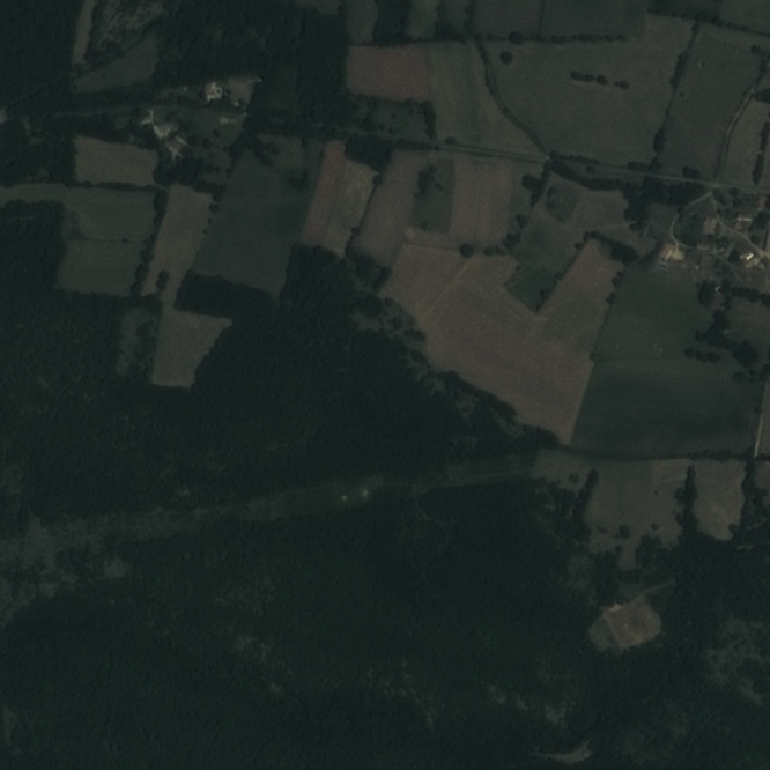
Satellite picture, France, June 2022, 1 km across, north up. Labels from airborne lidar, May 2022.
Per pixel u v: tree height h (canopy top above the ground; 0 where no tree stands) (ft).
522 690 25
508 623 30
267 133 30
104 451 27
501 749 33
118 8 22
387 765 25
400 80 0
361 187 0
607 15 0
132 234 0
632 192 35
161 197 37
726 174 0
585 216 0
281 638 30
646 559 21
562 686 30
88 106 32
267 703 36
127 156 0
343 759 32
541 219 0
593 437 0
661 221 0
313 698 29
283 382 26
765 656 28
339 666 28
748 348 42
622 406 0
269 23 43
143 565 29
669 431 0
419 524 27
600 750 37
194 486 34
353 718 39
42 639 42
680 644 31
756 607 26
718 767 40
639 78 0
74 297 31
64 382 35
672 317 0
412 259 0
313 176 0
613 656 36
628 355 0
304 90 52
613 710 28
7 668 31
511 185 0
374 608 32
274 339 30
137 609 18
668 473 0
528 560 33
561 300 0
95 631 41
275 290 0
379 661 23
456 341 0
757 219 21
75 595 29
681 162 0
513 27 0
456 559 42
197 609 38
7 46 38
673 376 0
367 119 33
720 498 0
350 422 31
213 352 35
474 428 28
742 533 35
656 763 29
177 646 18
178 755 33
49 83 34
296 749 38
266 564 30
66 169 44
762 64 22
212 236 0
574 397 0
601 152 0
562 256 0
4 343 34
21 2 38
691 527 38
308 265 30
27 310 33
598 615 29
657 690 37
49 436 32
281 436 22
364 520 32
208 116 0
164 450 24
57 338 37
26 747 33
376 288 29
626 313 0
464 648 34
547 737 43
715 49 0
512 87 0
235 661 37
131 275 0
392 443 28
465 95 0
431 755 29
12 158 44
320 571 40
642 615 0
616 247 29
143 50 0
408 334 25
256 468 29
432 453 25
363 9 0
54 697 20
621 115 0
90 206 0
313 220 0
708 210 0
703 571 33
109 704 29
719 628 22
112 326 38
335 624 34
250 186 0
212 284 31
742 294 30
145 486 19
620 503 0
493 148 0
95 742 30
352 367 32
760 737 30
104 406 31
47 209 37
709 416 0
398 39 49
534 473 0
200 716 26
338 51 44
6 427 22
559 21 0
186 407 26
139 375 32
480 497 38
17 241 43
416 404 32
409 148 27
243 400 23
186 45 51
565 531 37
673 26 0
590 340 0
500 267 0
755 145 0
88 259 0
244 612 30
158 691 24
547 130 0
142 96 26
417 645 33
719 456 38
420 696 22
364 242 0
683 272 0
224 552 31
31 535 0
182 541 30
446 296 0
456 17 0
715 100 0
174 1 35
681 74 26
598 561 34
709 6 0
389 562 42
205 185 42
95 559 20
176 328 0
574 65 0
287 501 0
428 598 42
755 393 0
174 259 0
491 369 0
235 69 50
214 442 26
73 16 34
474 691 27
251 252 0
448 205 0
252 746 37
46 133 22
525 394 0
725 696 28
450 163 0
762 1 0
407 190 0
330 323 41
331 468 32
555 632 29
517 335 0
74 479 33
